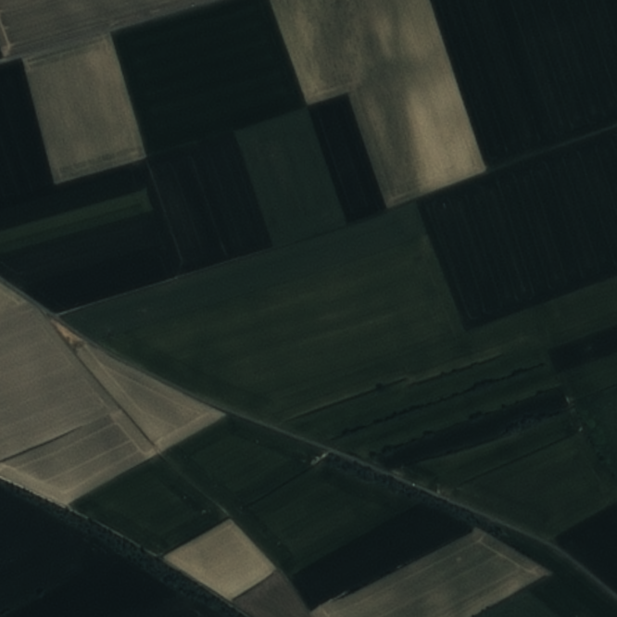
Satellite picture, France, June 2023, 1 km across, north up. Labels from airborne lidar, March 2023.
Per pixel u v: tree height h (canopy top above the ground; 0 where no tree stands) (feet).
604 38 0
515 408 0
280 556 0
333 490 0
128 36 0
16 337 0
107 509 0
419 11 0
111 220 0
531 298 0
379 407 0
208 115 0
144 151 0
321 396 0
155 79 0
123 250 0
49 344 0
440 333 0
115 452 0
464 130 0
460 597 0
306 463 0
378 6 0
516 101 0
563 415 0
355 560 0
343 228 0
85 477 0
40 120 0
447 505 31
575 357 0
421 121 0
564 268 0
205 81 0
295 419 0
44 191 0
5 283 0
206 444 0
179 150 0
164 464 0
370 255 0
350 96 0
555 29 0
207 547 0
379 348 0
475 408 0
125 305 0
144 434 0
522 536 0
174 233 0
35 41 0
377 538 0
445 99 0
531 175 0
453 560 0
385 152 0
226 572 0
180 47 0
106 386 0
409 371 0
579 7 0
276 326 0
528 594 0
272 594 0
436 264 0
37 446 0
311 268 0
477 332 0
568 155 0
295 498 0
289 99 0
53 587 0
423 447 0
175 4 0
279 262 0
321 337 0
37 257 0
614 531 0
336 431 0
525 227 0
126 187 0
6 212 0
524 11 0
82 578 0
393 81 0
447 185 0
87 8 0
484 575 0
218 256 0
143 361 0
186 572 0
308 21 0
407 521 0
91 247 0
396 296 0
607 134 0
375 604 0
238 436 0
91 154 0
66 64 0
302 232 0
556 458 0
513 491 0
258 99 0
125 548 31
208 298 0
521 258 0
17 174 0
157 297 0
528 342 0
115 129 0
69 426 0
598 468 0
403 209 0
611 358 0
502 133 0
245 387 0
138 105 0
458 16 0
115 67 0
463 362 0
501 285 0
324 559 0
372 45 0
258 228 0
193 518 0
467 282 0
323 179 0
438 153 0
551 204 0
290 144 0
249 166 0
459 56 0
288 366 0
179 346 0
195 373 0
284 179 0
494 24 0
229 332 0
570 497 0
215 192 0
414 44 0
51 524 0
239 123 0
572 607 0
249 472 0
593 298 0
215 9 0
